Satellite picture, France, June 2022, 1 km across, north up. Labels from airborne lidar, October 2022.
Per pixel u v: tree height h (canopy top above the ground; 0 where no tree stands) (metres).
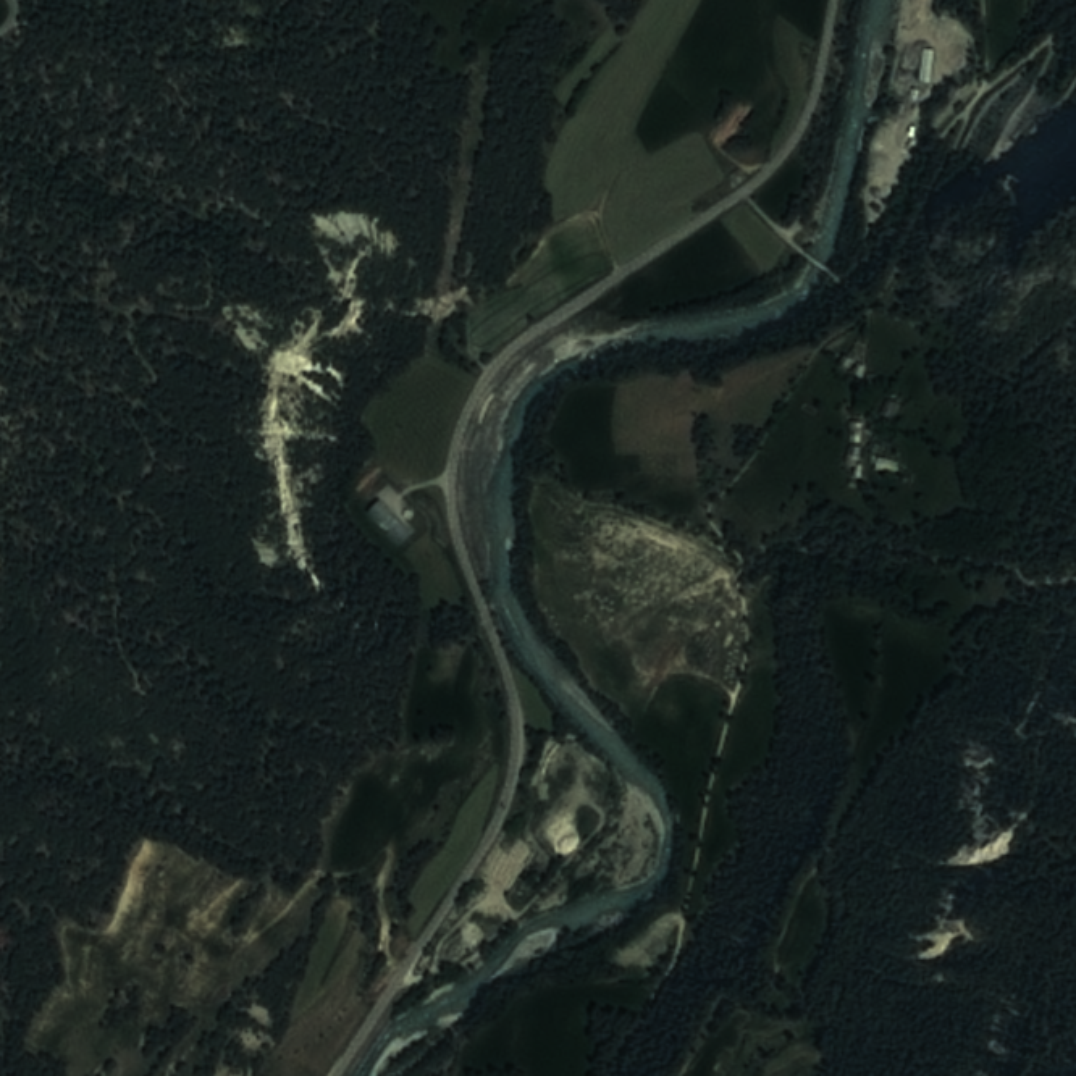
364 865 0
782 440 0
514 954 0
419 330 16
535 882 9
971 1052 11
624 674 0
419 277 8
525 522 15
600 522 0
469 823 0
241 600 23
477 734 0
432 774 0
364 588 18
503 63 18
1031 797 12
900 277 9
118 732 8
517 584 12
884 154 0
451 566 0
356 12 16
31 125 22
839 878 12
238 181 7
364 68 18
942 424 0
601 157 0
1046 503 15
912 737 14
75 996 0
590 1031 11
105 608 18
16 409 11
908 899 7
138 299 14
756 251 0
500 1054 0
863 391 19
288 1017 9
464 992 0
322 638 12
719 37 0
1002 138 0
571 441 0
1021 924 8
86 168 16
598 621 0
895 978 8
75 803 16
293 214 13
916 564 11
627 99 0
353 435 13
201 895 0
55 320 17
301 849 13
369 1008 0
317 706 16
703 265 0
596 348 0
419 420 0
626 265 0
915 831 11
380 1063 0
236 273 16
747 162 0
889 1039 8
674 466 0
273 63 19
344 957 0
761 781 9
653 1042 16
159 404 14
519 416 0
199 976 0
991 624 16
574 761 0
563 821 0
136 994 10
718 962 9
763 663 0
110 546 17
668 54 0
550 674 0
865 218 17
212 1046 11
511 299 0
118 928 0
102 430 15
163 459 12
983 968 7
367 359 16
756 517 0
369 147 15
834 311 24
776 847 9
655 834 0
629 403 0
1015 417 16
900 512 0
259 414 9
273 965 9
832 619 0
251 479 16
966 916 6
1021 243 11
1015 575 14
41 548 13
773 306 0
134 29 10
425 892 0
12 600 12
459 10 0
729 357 19
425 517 0
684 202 0
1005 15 0
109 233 16
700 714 0
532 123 13
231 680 17
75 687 9
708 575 0
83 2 19
